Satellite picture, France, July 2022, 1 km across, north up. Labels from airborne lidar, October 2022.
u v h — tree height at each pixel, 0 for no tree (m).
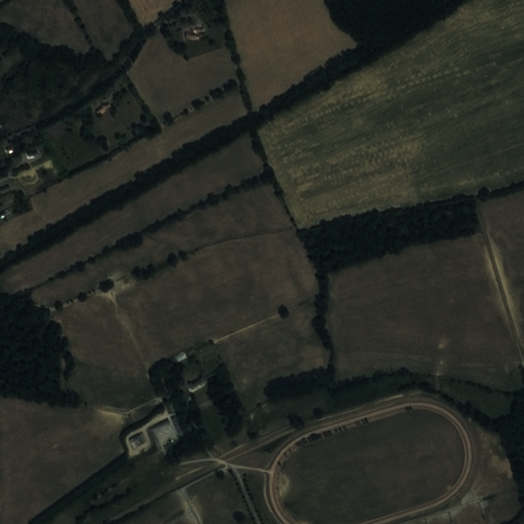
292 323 0
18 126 0
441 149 0
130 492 11
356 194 0
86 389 0
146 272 18
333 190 0
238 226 0
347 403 0
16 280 0
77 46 0
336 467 0
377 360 0
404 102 0
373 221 15
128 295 0
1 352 9
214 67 0
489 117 0
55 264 0
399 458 0
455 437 0
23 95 0
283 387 36
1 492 0
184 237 0
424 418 0
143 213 0
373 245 20
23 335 25
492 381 0
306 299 0
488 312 0
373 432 0
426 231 17
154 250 0
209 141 18
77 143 0
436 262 0
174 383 24
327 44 0
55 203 0
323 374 25
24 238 0
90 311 0
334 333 0
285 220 0
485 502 0
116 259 0
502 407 0
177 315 0
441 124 0
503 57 0
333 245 23
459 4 18
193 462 0
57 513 10
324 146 0
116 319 0
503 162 0
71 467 0
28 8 0
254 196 0
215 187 0
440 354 0
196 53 0
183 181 0
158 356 0
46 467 0
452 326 0
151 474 0
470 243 0
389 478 0
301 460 0
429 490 0
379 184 0
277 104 14
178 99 0
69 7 18
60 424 0
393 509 0
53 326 19
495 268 0
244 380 0
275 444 0
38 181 0
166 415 0
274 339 0
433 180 0
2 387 21
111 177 0
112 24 0
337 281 0
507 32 0
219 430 0
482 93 0
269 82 0
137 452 0
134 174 0
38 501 0
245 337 0
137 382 0
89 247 0
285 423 0
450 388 0
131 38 7
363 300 0
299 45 0
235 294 0
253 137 17
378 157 0
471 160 0
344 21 23
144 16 0
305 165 0
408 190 0
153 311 0
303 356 0
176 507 0
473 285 0
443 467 0
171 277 0
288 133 0
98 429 0
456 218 17
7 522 0
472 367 0
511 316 0
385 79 0
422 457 0
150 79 0
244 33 0
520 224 0
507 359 0
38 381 23
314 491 0
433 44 0
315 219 0
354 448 0
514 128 0
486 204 0
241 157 0
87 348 0
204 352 0
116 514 0
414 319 0
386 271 0
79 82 0
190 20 8
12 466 0
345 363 0
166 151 0
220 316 0
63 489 0
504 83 0
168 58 0
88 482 10
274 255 0
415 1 20
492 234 0
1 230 0
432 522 0
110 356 0
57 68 0
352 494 0
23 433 0
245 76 14
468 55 0
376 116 0
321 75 25
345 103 0
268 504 0
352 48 0
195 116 0
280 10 0
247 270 0
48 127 15
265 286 0
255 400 0
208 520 0
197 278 0
